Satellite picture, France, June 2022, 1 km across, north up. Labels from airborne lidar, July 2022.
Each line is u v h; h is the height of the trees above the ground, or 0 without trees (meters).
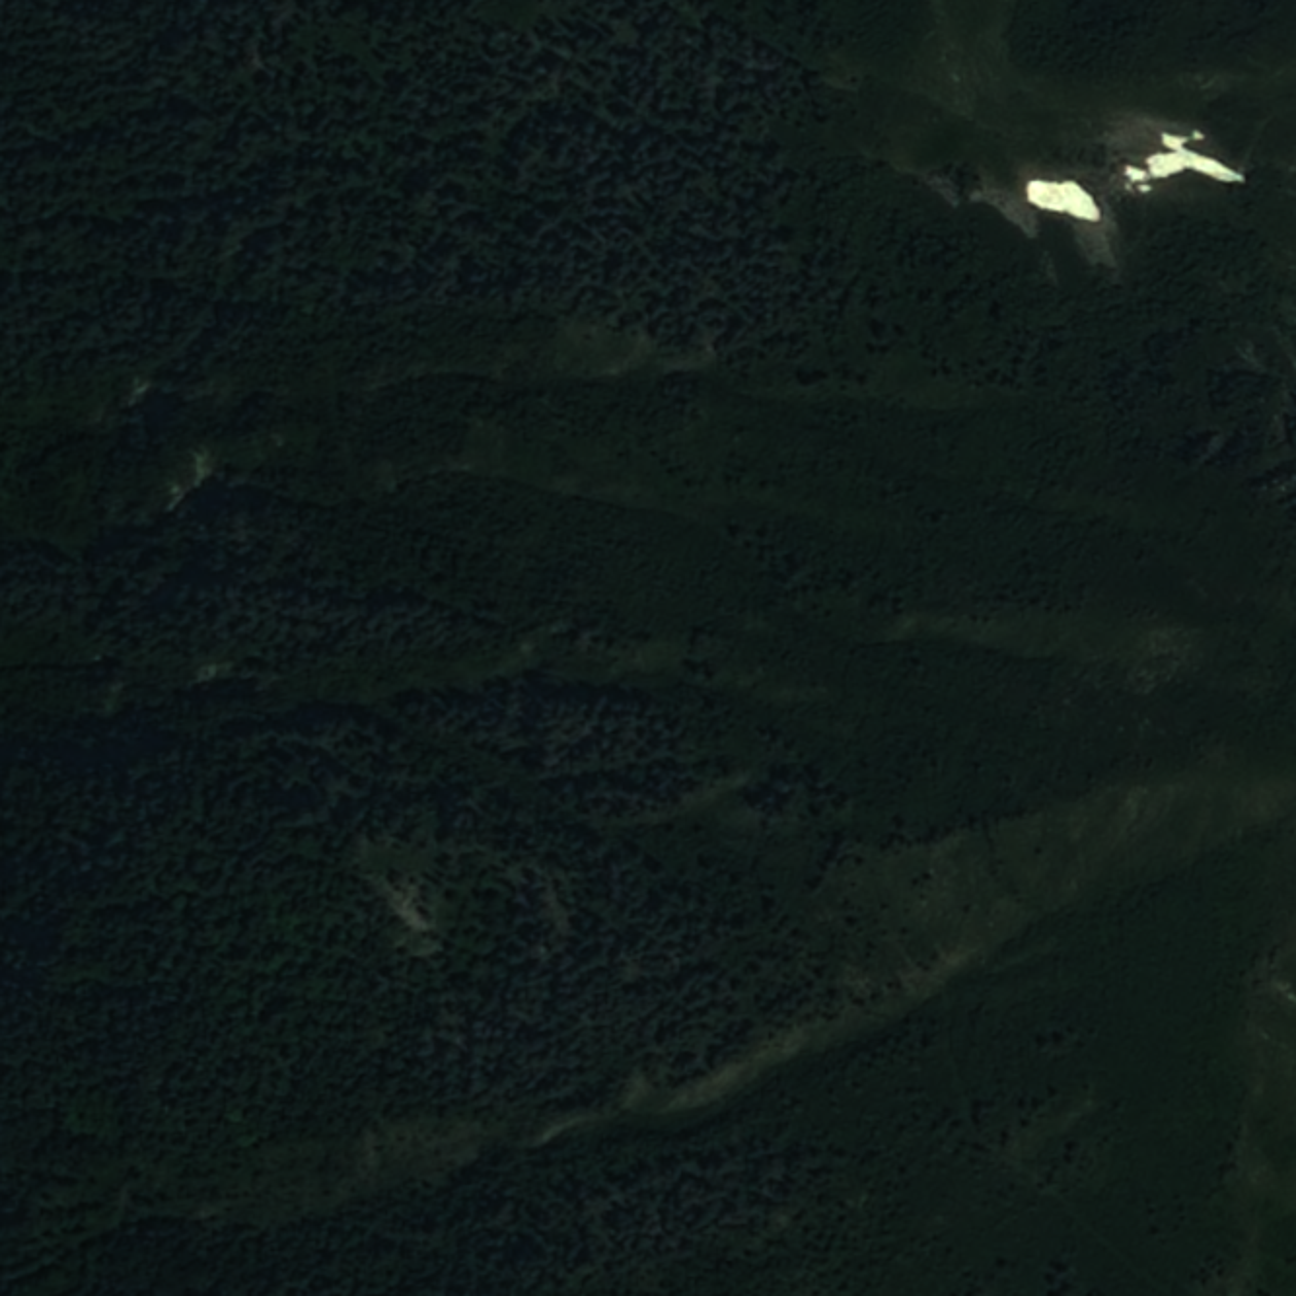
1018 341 7
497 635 16
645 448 8
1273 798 0
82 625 11
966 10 0
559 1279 6
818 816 11
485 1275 8
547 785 10
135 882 23
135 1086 27
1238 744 0
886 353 13
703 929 15
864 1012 8
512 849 12
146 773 22
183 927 12
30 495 10
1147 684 0
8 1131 24
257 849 18
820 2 8
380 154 12
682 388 8
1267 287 6
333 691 6
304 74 25
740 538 17
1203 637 0
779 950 7
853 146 0
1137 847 0
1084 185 0
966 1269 6
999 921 0
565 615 5
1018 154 0
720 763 7
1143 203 0
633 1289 9
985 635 0
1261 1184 0
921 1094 9
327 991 9
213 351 20
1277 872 0
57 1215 10
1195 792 0
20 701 9
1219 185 0
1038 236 0
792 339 12
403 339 15
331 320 14
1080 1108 0
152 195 15
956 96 0
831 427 8
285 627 24
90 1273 14
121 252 26
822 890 14
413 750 18
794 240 19
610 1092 18
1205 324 6
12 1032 31
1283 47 0
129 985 15
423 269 6
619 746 32
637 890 24
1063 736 0
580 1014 15
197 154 23
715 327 27
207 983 16
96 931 15
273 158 10
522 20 0
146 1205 15
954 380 17
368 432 6
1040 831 0
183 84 24
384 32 11
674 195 23
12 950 16
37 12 24
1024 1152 0
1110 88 0
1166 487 0
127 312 30
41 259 16
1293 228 0
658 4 25
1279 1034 0
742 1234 9
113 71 21
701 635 10
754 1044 26
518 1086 20
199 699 13
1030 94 0
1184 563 0
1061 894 0
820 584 9
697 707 6
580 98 14
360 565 14
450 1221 11
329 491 8
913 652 7
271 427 6
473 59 9
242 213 29
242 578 22
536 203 9
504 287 21
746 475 10
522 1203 8
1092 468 0
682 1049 9
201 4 24
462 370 7
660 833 6
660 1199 25
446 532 7
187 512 6
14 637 20
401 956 11
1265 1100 0
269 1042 16
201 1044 17
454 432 6
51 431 6
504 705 22
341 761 9
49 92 23
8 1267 9
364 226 13
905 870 0
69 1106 21
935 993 0
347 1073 15
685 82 10
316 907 23
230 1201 8
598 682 0
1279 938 0
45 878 28
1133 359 5
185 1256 20
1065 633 0
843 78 0
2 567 21
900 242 6
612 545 7
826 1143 9
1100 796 0
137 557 19
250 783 13
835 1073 7
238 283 11
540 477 0
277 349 11
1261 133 0
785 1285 7
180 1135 11
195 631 28
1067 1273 18
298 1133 15
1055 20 7
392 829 17
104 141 17
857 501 0
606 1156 10
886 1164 8
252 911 13
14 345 23
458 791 10
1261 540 0
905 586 7
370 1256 16
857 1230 6
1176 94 0
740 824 0
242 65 12
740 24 10
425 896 12
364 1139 8
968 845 0
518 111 30
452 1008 9
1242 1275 0
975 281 8
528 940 14
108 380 8
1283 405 5
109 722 8
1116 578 0
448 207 11
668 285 21
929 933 0
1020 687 0
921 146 0
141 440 12
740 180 20
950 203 0
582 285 24
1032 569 7
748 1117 8
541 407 7
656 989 11
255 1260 10
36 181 31
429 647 23
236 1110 18
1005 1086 6
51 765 22
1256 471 0
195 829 13
